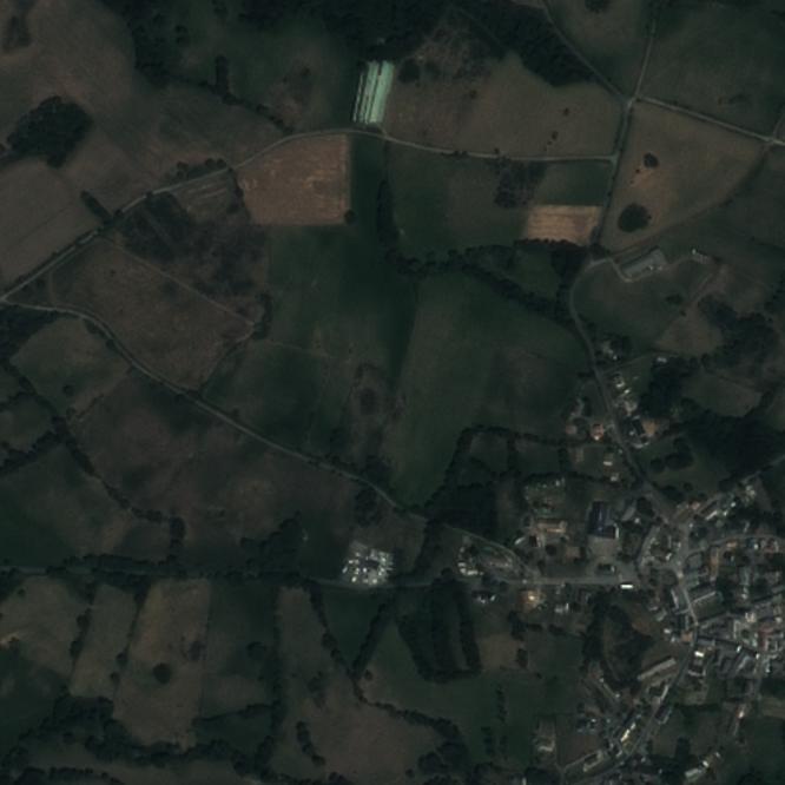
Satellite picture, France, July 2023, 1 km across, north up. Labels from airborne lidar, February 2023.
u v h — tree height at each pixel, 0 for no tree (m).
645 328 0
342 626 0
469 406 0
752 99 0
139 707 0
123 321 0
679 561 0
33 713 0
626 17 0
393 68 0
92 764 0
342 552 0
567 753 0
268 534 0
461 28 0
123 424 0
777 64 0
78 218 0
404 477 0
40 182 0
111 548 0
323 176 0
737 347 10
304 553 0
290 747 0
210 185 0
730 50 0
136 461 0
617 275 0
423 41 15
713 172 0
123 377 0
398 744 0
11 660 0
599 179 0
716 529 0
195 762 17
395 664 0
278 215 0
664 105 0
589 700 0
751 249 0
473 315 0
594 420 0
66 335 0
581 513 0
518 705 0
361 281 0
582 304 0
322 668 0
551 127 0
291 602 0
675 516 0
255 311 0
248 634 0
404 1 17
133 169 0
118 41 0
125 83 0
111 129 0
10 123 0
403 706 0
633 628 16
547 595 0
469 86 0
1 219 0
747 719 6
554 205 0
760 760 0
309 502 0
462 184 0
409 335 0
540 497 0
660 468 16
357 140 0
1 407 15
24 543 0
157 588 0
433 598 6
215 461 0
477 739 0
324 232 0
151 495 0
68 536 0
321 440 0
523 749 0
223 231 0
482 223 0
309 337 0
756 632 0
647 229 0
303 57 0
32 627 0
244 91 0
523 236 0
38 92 0
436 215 0
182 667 0
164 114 0
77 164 0
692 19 0
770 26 0
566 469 14
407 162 0
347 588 0
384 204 14
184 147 0
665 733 0
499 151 7
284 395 0
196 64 0
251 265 0
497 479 13
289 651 0
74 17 0
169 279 0
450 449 0
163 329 0
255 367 0
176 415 0
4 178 0
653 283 0
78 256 0
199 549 0
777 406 0
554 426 0
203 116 0
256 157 0
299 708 0
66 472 0
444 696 0
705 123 0
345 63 0
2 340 8
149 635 0
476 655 17
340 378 0
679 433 8
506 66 0
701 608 0
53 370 0
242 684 0
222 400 0
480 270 12
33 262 0
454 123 0
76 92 0
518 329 0
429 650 0
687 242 0
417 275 18
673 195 0
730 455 20
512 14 12
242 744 0
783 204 0
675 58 0
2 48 0
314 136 0
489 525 7
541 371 0
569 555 0
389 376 0
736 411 0
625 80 0
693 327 0
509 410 0
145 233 0
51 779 7
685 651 0
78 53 0
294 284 0
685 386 8
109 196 0
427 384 0
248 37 0
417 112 0
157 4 17
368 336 0
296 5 13
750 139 0
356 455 0
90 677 0
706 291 0
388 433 0
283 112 0
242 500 0
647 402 10
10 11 0
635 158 0
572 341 0
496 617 0
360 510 9
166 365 0
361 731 0
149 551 0
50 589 0
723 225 0
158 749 7
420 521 0
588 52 0
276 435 0
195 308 0
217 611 0
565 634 12
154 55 7
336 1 22
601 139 0
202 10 0
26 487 0
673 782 17
